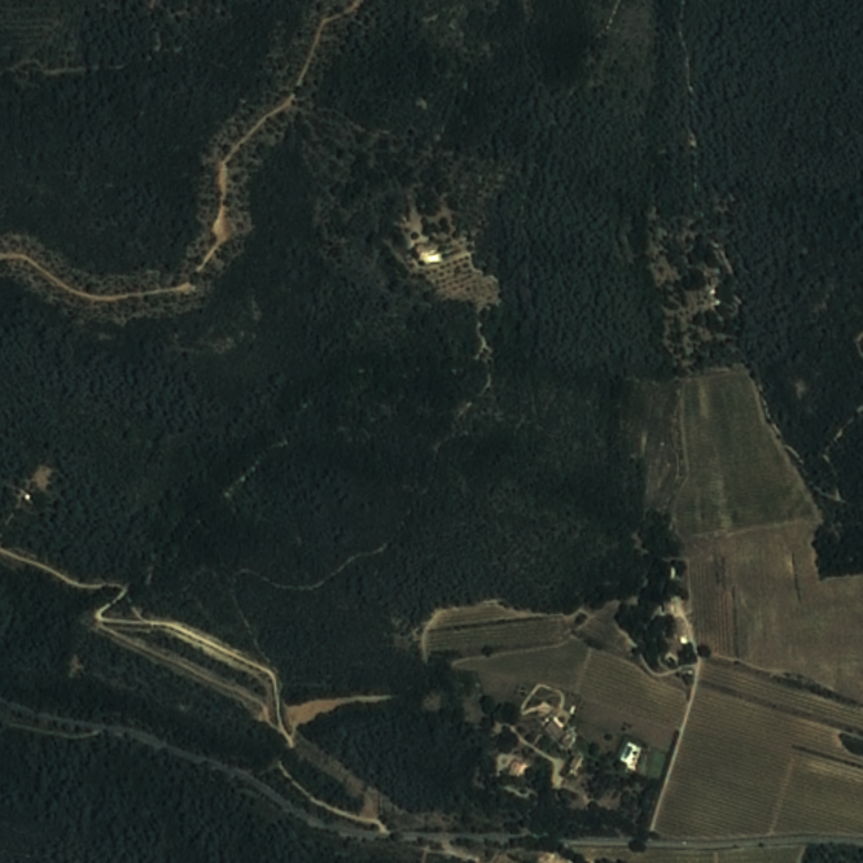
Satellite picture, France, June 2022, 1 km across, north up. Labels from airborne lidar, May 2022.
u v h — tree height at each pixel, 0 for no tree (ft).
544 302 59
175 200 20
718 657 0
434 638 0
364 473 31
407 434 22
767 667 0
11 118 21
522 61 40
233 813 57
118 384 65
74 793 55
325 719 43
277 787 25
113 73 29
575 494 34
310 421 29
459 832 30
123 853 52
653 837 38
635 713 0
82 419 26
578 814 23
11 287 24
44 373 58
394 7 56
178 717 26
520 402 25
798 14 51
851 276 18
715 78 41
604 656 0
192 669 0
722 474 0
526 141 38
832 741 0
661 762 0
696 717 0
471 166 28
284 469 41
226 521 26
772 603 0
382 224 24
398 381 32
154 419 76
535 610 29
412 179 45
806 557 0
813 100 49
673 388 0
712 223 51
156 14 32
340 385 35
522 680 0
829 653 0
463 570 43
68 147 19
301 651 36
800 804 0
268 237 19
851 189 23
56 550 62
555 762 0
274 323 21
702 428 0
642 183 42
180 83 21
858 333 22
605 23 33
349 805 42
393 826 20
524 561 20
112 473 28
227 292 20
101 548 55
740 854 0
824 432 24
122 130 49
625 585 32
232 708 22
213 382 25
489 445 28
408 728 29
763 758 0
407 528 22
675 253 60
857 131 49
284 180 25
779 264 52
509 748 36
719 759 0
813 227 27
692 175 51
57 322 20
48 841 22
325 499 23
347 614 20
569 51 37
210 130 23
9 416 44
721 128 65
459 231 19
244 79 20
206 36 23
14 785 21
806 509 0
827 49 48
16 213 21
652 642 30
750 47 58
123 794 24
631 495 23
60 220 32
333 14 29
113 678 44
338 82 33
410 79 29
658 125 33
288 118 52
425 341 22
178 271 45
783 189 53
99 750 50
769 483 0
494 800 57
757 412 0
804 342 21
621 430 23
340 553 18
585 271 68
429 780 33
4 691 41
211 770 62
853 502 35
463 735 59
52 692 46
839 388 39
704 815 0
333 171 31
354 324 25
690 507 0
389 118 31
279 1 46
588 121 63
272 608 21
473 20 38
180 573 20
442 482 27
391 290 28
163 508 62
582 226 72
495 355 32
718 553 0
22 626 67
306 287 31
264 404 62
